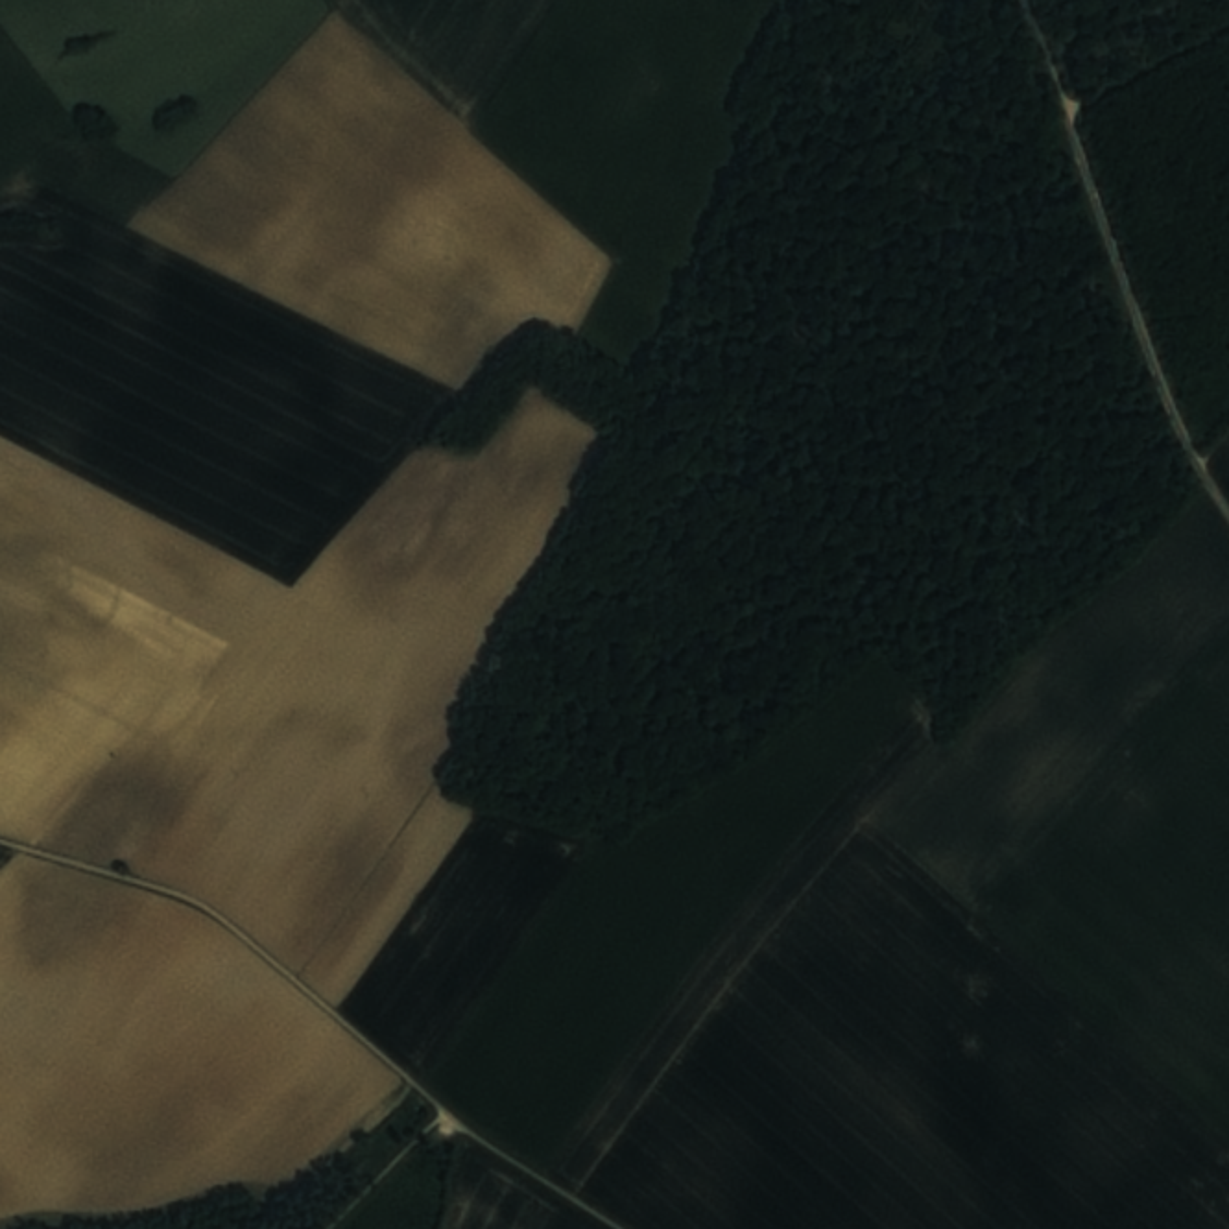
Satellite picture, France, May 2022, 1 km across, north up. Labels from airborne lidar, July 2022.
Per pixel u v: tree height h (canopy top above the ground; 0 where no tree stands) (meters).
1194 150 9
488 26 0
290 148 0
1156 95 11
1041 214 27
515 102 0
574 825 19
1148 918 0
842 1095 0
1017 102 26
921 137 28
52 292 0
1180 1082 0
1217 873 0
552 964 0
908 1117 0
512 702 23
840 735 0
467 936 0
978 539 26
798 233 27
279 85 0
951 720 15
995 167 25
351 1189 25
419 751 0
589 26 0
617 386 21
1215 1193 0
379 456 0
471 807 11
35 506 0
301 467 0
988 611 26
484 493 0
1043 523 18
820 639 24
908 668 25
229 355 0
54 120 0
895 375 22
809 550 24
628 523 21
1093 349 30
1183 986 0
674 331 23
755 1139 0
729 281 22
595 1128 0
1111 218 13
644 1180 0
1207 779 0
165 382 0
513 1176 0
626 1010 0
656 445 14
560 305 0
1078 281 23
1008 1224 0
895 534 27
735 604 19
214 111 0
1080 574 20
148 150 0
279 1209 26
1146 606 0
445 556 0
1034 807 0
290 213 0
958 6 26
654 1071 0
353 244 0
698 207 0
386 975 0
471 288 0
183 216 0
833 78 25
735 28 0
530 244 0
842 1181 0
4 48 0
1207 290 10
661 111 0
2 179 0
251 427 0
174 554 0
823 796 0
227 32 0
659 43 0
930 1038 0
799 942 0
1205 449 6
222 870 0
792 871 0
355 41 0
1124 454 20
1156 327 8
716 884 0
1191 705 0
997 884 0
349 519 0
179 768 0
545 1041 0
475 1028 0
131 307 0
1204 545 0
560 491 0
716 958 0
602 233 0
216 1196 10
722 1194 0
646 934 0
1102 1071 0
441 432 14
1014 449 27
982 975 0
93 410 0
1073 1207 0
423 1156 7
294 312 0
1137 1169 0
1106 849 0
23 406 0
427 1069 0
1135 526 20
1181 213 10
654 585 24
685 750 23
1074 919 0
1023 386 20
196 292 0
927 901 0
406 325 0
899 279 27
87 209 0
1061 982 0
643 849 0
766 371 24
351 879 0
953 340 24
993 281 15
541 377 20
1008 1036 0
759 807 0
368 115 0
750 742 21
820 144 27
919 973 0
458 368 0
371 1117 0
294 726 0
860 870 0
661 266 0
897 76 14
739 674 28
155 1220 17
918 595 25
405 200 0
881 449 24
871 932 0
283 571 0
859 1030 0
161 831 0
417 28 0
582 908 0
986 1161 0
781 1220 0
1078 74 25
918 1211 0
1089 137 9
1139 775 0
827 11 24
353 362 0
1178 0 22
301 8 0
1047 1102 0
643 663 23
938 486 25
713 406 25
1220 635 0
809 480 12
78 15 0
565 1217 0
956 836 0
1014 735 0
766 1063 0
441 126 0
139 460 0
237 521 0
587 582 22
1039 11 19
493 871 0
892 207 25
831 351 25
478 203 0
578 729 26
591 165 0
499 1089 0
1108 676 0
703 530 25
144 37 0
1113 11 25
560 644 23
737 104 16
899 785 0
